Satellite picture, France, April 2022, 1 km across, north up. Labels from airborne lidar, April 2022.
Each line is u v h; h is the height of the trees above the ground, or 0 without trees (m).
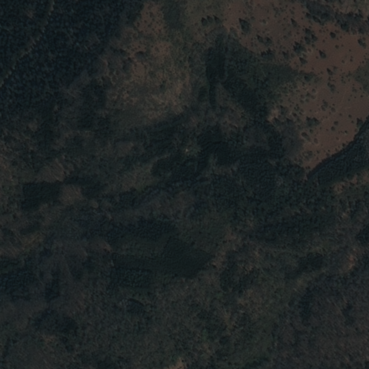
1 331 23
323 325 21
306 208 10
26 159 17
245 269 12
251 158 20
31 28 21
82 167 12
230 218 7
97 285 23
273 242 32
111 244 26
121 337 14
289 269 29
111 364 11
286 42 0
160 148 15
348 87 0
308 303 20
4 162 32
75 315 19
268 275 30
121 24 25
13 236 30
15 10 21
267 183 16
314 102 0
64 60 17
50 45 17
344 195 7
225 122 33
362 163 20
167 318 15
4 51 14
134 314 23
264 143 24
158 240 21
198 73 22
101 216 28
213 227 5
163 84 8
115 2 14
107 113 19
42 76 23
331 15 12
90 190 29
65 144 25
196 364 29
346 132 7
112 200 27
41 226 32
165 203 27
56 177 33
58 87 22
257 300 33
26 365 25
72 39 14
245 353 7
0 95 14
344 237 26
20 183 25
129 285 23
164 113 11
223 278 20
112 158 19
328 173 19
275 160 18
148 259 9
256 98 8
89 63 17
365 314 24
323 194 14
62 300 32
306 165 0
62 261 32
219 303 29
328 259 24
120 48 8
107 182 21
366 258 26
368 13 0
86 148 17
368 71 0
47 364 22
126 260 7
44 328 23
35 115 21
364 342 23
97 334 11
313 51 0
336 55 0
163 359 10
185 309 15
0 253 36
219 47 12
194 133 15
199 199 24
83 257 29
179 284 9
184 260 6
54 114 10
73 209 26
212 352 33
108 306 14
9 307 31
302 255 8
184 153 15
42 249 28
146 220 22
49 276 32
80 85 20
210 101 14
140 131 22
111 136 7
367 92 0
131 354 15
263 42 8
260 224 14
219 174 6
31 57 35
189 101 18
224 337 16
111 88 20
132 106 6
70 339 9
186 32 6
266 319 6
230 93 9
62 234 25
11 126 28
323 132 0
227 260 15
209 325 24
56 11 11
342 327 22
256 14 0
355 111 0
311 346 18
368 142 13
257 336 27
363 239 25
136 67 7
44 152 28
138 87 6
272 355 30
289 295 24
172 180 18
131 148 26
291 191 8
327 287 26
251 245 24
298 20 0
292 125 21
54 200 29
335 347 18
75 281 23
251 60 22
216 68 15
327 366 31
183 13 6
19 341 18
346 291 22
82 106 27
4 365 28
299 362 33
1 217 26
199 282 12
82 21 20
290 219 16
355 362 28
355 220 23
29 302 7
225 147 17
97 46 22
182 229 9
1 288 31
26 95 28
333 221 18
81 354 7
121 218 27
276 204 18
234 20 0
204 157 17
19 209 17
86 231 27
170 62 7
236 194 17
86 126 20
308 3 13
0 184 28
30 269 27
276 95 7
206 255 6
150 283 18
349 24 13
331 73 23
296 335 19
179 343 19
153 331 19
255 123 10
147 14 6
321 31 9
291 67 0
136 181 19
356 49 0
